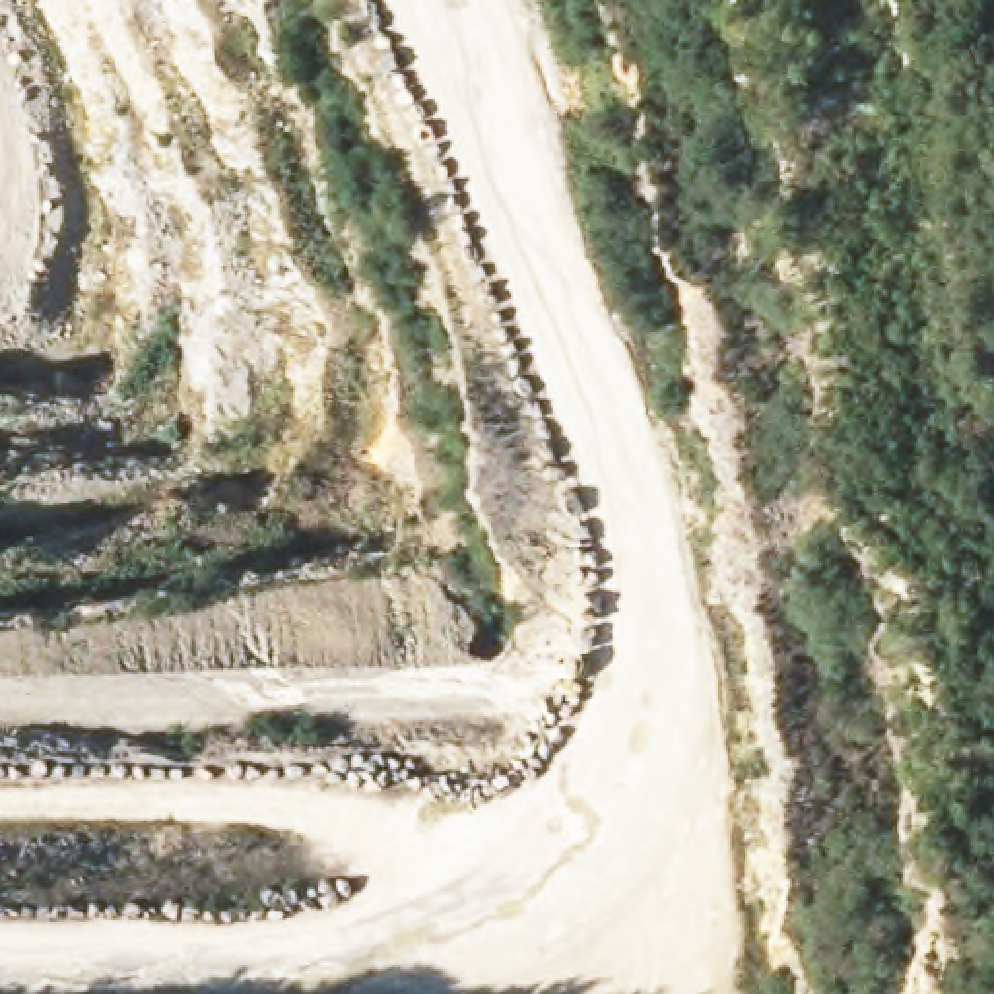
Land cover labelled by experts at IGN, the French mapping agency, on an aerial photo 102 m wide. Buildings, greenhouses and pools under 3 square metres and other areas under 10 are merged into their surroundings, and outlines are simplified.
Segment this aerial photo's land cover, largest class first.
<instances>
[{"label":"pervious surface","instance_id":"1","mask_svg":"<svg viewBox=\"0 0 994 994\"><path fill-rule=\"evenodd\" d=\"M330 58L365 97V132L377 144L404 151L412 182L423 190L435 221V237H423L412 249V256L423 264L419 303L435 311L450 342V349L435 353L431 365L435 381L458 388L462 435L470 443L466 501L478 524L489 532V547L501 571V598L520 606L524 621L516 629H505L501 621L474 625L466 617V594L454 590L450 567L458 528L454 513L439 509V435L400 423L396 322L369 283L361 229L353 221L346 225L342 217H334L318 124L299 85L280 78L276 43L264 0H0V994H738V905L749 897L765 905L761 932L769 963L792 971L796 994H815L804 959L784 936L788 866L784 804L796 765L784 753L773 718V648L765 621L757 613V598L765 586L761 551H792V544H804L819 524L831 520L839 509L831 505L823 493L753 501L742 489L734 435L742 431V419L734 412V392H726L714 381L722 326L703 287L691 283V276L676 264L672 249L652 245V256L660 260L664 280L676 287L683 315V373L691 377L687 415L707 435V454L718 474V520L707 571L691 567L687 544V532L703 524V509L691 501L699 493V478L676 454L672 431L664 427L656 408H645L641 400V384L625 353L629 330L617 311H606L602 303L594 264L582 245V229L571 210L559 140L563 113L582 105L575 70L555 62L551 35L544 27V12L536 0H349L346 16L330 19L326 27ZM287 132L299 136L318 217L326 221L330 237L342 241V264L349 268L353 283V291L346 295L318 291L291 256L283 202L264 171L276 155H283ZM159 307L179 311L182 365L163 369L155 377L151 404H128L113 369L120 377L132 373L136 353L159 326ZM283 404H291L295 415L283 439L268 447L264 470L206 474L210 439L233 435V423L245 415L268 419ZM175 501H186L190 509L229 505L237 513H249L256 501H264V509L295 513L303 528L272 547L241 544V551L221 563L217 575L237 586V598L214 602L194 613L144 617L132 602V594L148 590L144 579H113L109 571L116 551H128L132 540L167 536V516L175 513ZM287 707L326 714L318 722L326 746L252 749L245 738L249 714ZM617 74V97L625 105L641 101V78L633 62L610 58ZM815 272H839V260H827L823 252H788L777 256V276L784 283L808 280ZM831 342V318L808 322L788 338V357L800 361L808 373V408L827 423L839 408L827 400V388L835 384V369L846 365V357H823ZM905 594H909V579H905V575H897V571H893L885 575V582H881V586H874V610H878V613H889L897 598H905ZM885 718L909 711L912 703H932L936 695V676L924 664V648L916 637H909L893 633L889 625H878L866 641V660ZM928 812L916 800L912 792H901L897 827V839H916L924 831ZM897 901L905 916L916 924L901 994H940L936 982L955 959V944L947 940L944 924L940 885L920 874L916 862L901 866Z\"/></svg>","mask_w":994,"mask_h":994},{"label":"brushwood","instance_id":"2","mask_svg":"<svg viewBox=\"0 0 994 994\"><path fill-rule=\"evenodd\" d=\"M544 12V27L551 35L555 62L575 70L586 66L602 47L610 58L633 62L641 78V101L625 105L617 97L602 109V132L633 151L637 179L606 163L590 167V179L610 190V202L606 214L582 229V245L594 264L602 303L606 311H617L629 330H660L683 315L676 287L664 280L660 260L652 256V245L672 249L683 233L695 241L714 225L730 229L738 221V198L746 186L780 217L788 252H823L827 260H839V272H815L808 280L815 295L839 291L831 318V342L823 357H846V365L835 369V384L827 388V400L839 408L827 423L831 439L839 443L835 481L846 489L831 505L839 509L850 524L866 532L870 547H878V555L893 571H897V575H905L932 579V586L924 590V613L912 621L909 637H916L924 648V664L936 676V695L951 707L959 742H990V757H951L947 765L967 773V788L955 792L932 780V788L916 800L928 812L924 831L936 850L951 854L955 862L971 866L990 881L982 897L971 901L975 916H982V924L990 928L986 963L955 959L936 982L940 994H994V0H536ZM280 78L299 85L318 124L334 217H342L346 225L353 221L361 229L369 283L396 322L400 423L439 435V509L454 513L458 528L450 567L454 590L466 594V617L474 625L501 621L505 629H516L524 621L520 606L501 598V571L489 547V532L478 524L466 501L470 443L462 435L458 388L435 381L431 365L435 353L450 349V342L435 311L419 303L423 264L412 256V249L423 237H435V221L423 190L412 182L404 151L377 144L365 132V97L330 58L326 27L311 16L287 27L276 43ZM264 171L283 202L291 256L318 291L346 295L353 291V283L349 268L342 264V241L330 237L326 221L318 217L299 136L287 132L283 155H276ZM792 551L796 563L784 582V613L804 633L819 679L843 676L839 660L850 652L866 660V641L878 625V610H874V586L862 582V571L846 555L843 540L827 536L819 524L804 544H792ZM326 714L287 707L249 714L245 738L252 749L326 746L318 722ZM901 866L897 839V827L874 831V823L858 819L854 827L827 831L812 846V866H788L784 936L804 959L815 994H901L916 924L905 916L897 901ZM765 905L749 897L738 905V994H796L792 971L769 963L761 932Z\"/></svg>","mask_w":994,"mask_h":994},{"label":"herbaceous vegetation","instance_id":"3","mask_svg":"<svg viewBox=\"0 0 994 994\"><path fill-rule=\"evenodd\" d=\"M349 0H264L276 43L287 27L311 16L326 27L330 19L346 16ZM582 105L563 113L559 140L571 210L582 229L606 214L610 202V190L590 179V167L606 163L637 179L633 151L602 132V109L617 97V74L610 58L602 47L586 66L575 70ZM788 252L780 217L746 186L738 198V221L730 229L714 225L695 241L683 233L672 249L676 264L691 276V283L703 287L722 326L714 381L726 392H734V412L742 419V431L734 435L742 489L753 501L823 493L831 505L846 489L835 481L839 443L831 439L827 423L808 408V373L800 361L788 357V338L808 322L831 318L839 291L815 295L808 280L784 283L777 276V256ZM182 365L179 311L159 307V326L136 353L132 373L120 377L113 369L128 404H151L155 377L163 369ZM625 353L641 384V400L645 408H656L664 427L672 431L676 454L699 478V493L691 501L703 509V524L687 532V544L691 567L707 571L718 520V474L707 454V435L687 415L691 377L683 373V315L660 330H629ZM295 415L291 404H283L268 419L245 415L233 423V435L210 439L206 474L264 470L268 447L283 439ZM303 528L295 513L264 509V501H256L249 513H237L229 505L190 509L186 501H175V513L167 516V536L132 540L128 551H116L109 571L113 579H144L148 590L132 594V602L144 617L194 613L214 602L237 598V586L217 575L221 563L241 551V544L272 547ZM827 536L843 540L846 555L862 571V582L874 586H881V582H885V575L893 571L878 555V547H870L866 532L850 524L839 509L831 520L819 524ZM796 563L792 551H761L765 586L757 598V613L765 621L773 648V718L784 753L796 765L784 804L788 866H812V846L827 831L854 827L858 819L874 823V831L897 827L901 792H912L916 800L932 788V780L955 792L967 788V773L947 765L951 757H990V742H959L951 707L936 695L932 703H912L909 711L885 718L866 660L850 652L839 660L843 676L819 679L804 633L784 613V582ZM905 579H909V594H905V598H897L889 613H878V625H889L893 633L909 637L912 621L924 613V590L932 586V579L905 575ZM901 866L916 862L920 874L940 885L944 924L947 940L955 944V959L986 963L990 928L982 924V916H975L971 901L982 897L990 881L971 866L955 862L951 854L936 850L924 831L916 839H897Z\"/></svg>","mask_w":994,"mask_h":994}]
</instances>
